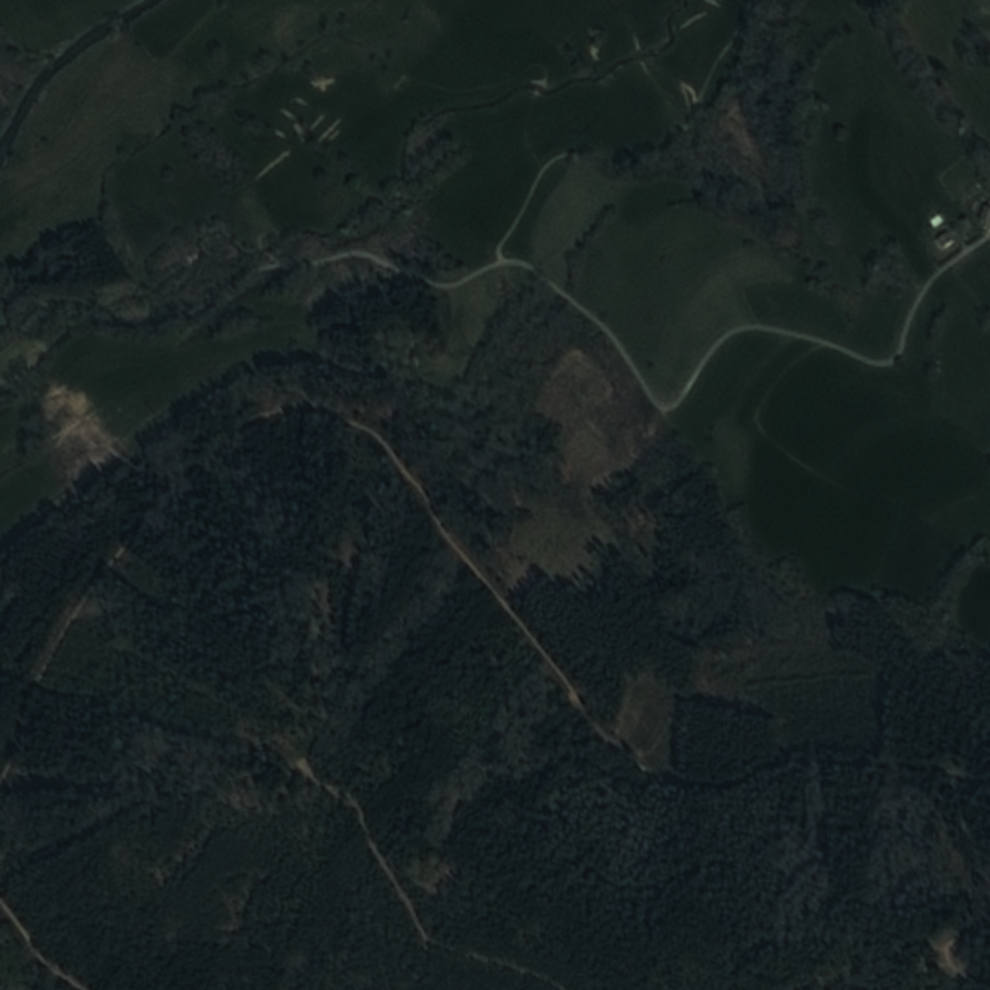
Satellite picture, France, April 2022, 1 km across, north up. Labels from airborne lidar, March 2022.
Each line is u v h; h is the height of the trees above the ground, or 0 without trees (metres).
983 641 0
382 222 19
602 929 30
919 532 0
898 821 30
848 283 0
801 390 0
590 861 28
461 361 0
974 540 0
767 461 0
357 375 19
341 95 0
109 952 17
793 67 23
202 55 0
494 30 0
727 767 28
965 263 0
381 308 28
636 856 28
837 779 27
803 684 7
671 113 0
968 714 26
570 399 0
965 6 0
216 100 20
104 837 22
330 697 22
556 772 14
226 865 15
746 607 19
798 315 0
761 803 26
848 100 0
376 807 12
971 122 17
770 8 24
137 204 0
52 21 0
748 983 20
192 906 16
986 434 0
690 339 0
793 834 32
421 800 15
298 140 0
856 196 0
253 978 20
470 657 23
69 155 0
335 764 18
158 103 0
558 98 0
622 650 33
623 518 14
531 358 10
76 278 32
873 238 0
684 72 0
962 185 0
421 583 33
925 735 21
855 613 27
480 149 0
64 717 19
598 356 10
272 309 0
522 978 14
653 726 0
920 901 27
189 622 18
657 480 18
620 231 0
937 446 0
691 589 19
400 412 26
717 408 0
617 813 29
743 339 0
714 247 0
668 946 21
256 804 13
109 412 0
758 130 30
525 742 30
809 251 0
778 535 0
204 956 18
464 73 0
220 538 22
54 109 0
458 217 0
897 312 0
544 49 0
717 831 26
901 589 0
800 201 34
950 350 0
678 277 0
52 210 0
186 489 27
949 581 14
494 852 18
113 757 16
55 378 0
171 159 0
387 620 32
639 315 0
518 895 23
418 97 0
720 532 30
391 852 14
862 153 0
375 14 0
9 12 0
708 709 22
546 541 0
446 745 18
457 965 16
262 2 0
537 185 0
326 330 24
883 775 15
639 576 24
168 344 17
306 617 22
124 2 0
